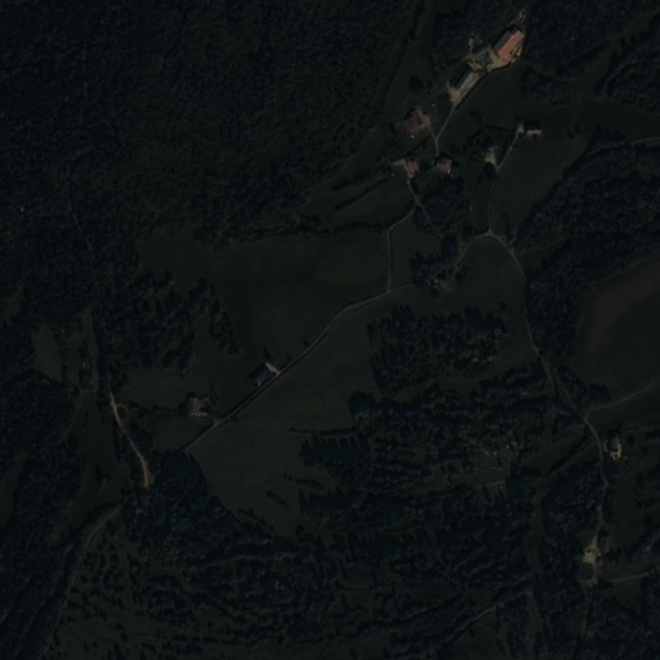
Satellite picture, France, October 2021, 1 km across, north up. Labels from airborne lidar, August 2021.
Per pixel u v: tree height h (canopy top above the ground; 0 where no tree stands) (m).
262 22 12
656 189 14
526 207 0
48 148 18
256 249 0
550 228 13
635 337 0
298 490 0
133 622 0
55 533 17
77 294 10
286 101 6
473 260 0
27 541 19
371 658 0
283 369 0
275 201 15
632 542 0
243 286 0
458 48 13
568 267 12
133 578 0
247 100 9
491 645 0
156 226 9
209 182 8
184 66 10
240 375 0
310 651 0
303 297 0
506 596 10
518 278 0
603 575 0
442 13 0
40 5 11
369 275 0
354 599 0
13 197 16
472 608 7
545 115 0
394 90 0
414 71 0
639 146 0
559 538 8
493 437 8
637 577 0
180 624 11
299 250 0
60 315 15
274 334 0
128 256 22
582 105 0
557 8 12
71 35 20
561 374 13
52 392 19
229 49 13
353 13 7
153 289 10
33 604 19
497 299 0
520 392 15
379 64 9
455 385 0
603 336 0
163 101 6
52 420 13
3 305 8
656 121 0
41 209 10
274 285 0
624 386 0
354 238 0
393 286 0
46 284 10
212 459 0
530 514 15
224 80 12
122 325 13
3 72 12
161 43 9
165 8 7
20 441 20
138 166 9
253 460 0
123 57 10
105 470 0
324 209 0
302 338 0
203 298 9
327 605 11
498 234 0
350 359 0
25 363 18
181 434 0
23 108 16
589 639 0
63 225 18
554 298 12
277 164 6
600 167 11
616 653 15
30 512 20
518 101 0
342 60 16
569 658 11
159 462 12
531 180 0
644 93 14
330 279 0
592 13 16
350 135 7
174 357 8
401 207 0
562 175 0
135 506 13
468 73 0
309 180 8
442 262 10
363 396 0
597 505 18
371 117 6
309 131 8
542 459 0
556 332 17
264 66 15
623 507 0
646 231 12
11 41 15
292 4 11
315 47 10
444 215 10
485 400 5
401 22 8
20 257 14
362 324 0
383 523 20
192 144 10
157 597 8
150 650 6
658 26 14
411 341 19
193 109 7
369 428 7
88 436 0
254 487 0
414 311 0
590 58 13
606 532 0
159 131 7
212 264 0
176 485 19
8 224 13
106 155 12
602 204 20
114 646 0
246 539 8
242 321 0
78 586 0
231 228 8
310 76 9
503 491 0
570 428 15
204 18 13
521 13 0
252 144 6
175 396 0
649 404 0
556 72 6
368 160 0
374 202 0
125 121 15
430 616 7
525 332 0
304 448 0
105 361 21
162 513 15
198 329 0
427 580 7
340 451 0
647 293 0
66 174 13
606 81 5
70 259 19
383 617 7
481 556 0
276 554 13
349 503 8
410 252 0
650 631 16
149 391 0
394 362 17
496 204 0
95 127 12
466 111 0
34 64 7
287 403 0
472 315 0
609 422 0
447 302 0
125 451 18
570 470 0
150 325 6
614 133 0
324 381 0
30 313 14
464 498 9
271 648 0
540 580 0
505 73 0
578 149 0
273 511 0
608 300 0
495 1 7
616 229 20
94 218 9
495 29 10
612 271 10
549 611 9
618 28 17
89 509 0
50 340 0
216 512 17
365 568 11
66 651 0
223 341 8
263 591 10
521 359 0
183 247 0
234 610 10
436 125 0
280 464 0
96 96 20
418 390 6
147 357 14
